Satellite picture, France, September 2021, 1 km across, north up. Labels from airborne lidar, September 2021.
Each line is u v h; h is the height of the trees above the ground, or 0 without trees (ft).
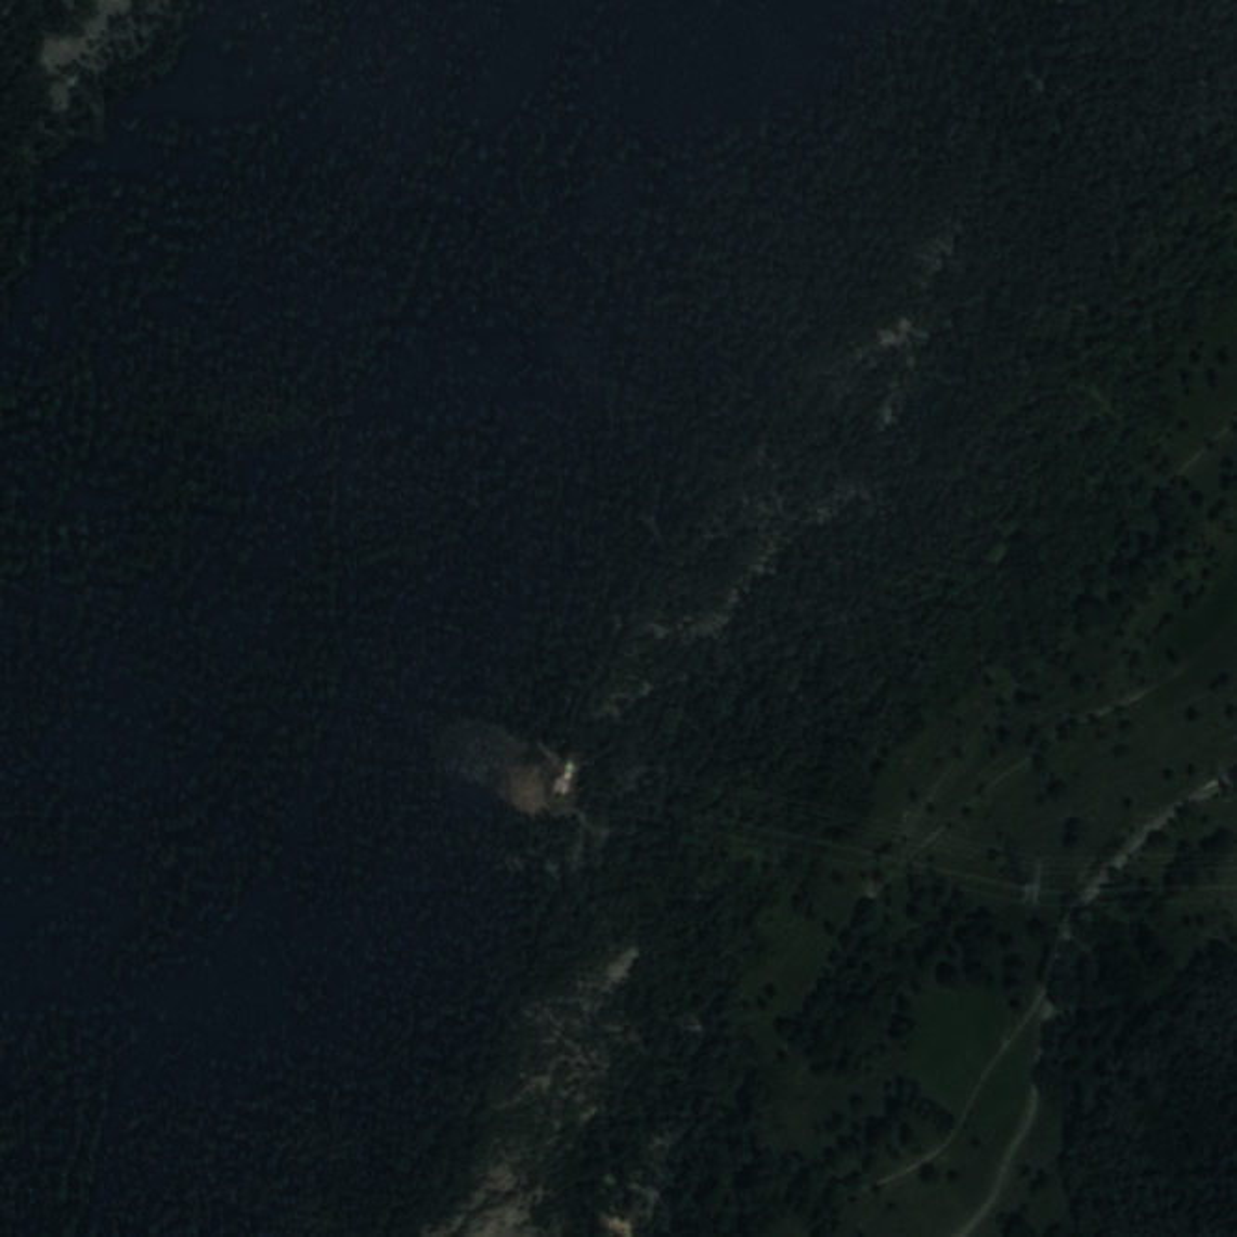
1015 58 76
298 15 89
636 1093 53
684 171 65
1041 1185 35
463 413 61
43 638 94
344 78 50
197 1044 87
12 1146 31
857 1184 42
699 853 40
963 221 24
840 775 91
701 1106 73
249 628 64
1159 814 0
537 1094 27
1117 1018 84
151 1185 35
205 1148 47
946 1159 0
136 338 86
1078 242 69
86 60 36
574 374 63
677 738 38
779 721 86
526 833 39
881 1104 0
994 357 105
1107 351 55
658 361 83
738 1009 64
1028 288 81
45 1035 60
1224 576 0
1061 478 62
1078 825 38
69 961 78
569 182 62
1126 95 45
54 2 81
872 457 120
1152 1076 77
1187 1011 64
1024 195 61
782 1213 62
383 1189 54
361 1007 53
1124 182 91
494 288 64
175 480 71
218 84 97
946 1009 0
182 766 39
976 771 0
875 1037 56
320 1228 30
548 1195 29
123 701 89
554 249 50
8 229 70
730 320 75
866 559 41
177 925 54
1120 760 38
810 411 59
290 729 66
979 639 69
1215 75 70
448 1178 37
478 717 49
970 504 71
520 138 87
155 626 96
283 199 51
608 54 89
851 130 67
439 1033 69
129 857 82
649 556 21
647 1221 37
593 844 49
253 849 79
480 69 54
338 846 58
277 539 52
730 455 77
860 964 63
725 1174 72
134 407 100
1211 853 60
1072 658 26
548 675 55
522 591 57
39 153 141
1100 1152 54
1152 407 59
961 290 75
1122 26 83
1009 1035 0
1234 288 31
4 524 72
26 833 83
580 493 67
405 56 83
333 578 71
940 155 19
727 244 81
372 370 73
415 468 79
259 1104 68
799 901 36
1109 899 48
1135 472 43
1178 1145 60
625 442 82
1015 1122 0
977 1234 0
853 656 70
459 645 61
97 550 70
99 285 106
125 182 85
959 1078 0
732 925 57
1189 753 0
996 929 55
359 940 61
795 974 0
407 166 77
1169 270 61
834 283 76
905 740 61
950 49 95
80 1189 54
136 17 29
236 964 63
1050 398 69
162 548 91
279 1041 73
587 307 92
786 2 72
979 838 0
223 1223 32
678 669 37
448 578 32
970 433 81
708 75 63
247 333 80
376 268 91
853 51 60
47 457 101
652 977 49
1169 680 0
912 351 27
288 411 74
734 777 70
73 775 67
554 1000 28
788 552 33
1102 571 23
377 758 52
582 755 42
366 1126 69
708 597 50
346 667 67
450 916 61
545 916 30
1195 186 62
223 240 55
